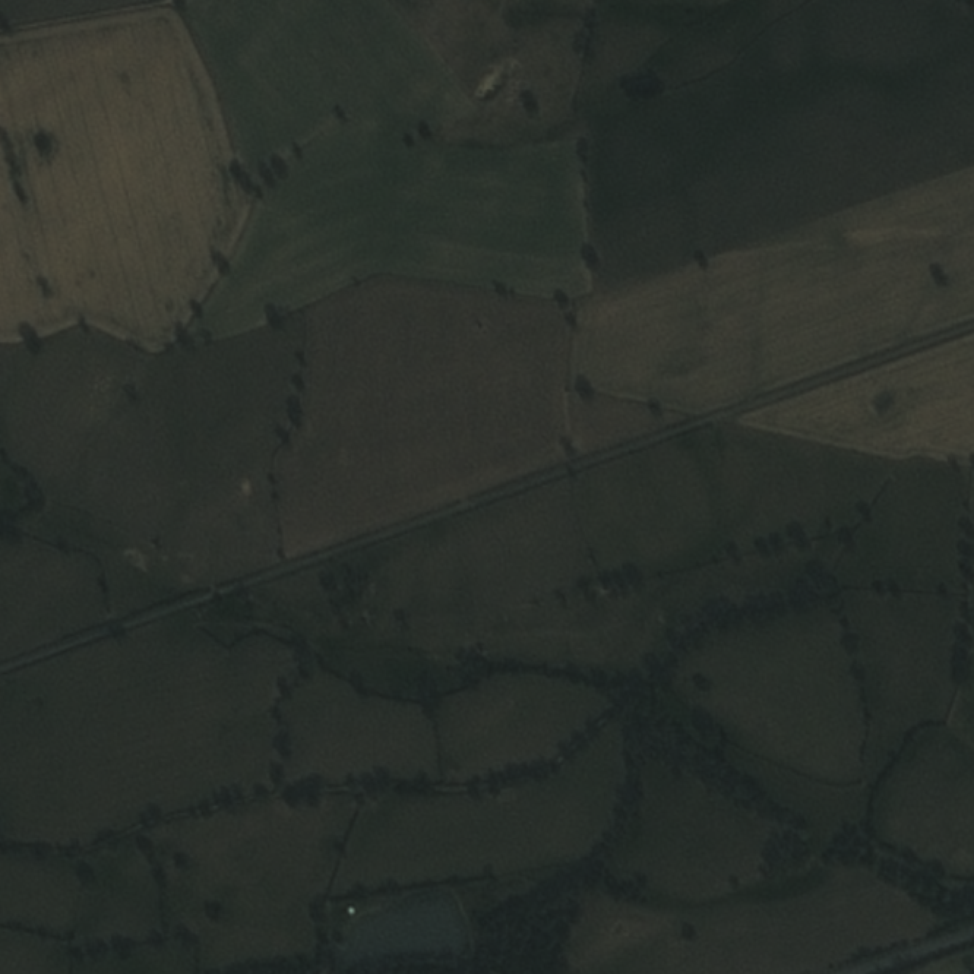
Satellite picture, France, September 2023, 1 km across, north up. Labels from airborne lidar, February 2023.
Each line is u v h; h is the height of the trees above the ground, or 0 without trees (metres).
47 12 0
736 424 0
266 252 0
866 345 0
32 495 17
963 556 12
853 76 0
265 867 0
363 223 0
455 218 0
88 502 0
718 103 0
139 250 0
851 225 0
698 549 0
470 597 0
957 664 13
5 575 0
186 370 0
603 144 0
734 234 0
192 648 0
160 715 0
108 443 0
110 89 0
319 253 0
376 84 0
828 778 0
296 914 0
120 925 0
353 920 0
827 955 0
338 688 0
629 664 0
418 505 0
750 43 0
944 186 0
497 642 0
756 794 21
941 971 0
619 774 0
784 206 0
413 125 0
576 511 0
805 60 0
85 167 0
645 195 0
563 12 0
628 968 0
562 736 0
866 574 0
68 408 0
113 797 0
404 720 0
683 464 0
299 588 0
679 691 0
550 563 0
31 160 0
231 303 0
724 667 0
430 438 0
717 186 0
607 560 0
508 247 0
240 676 0
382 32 0
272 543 0
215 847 0
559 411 0
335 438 0
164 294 0
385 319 0
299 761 0
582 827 0
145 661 0
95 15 0
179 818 0
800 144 0
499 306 0
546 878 0
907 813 0
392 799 0
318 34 0
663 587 0
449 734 0
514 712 0
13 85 0
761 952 0
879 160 0
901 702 0
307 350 0
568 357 0
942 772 0
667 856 0
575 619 0
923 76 0
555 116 0
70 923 0
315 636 0
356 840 0
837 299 0
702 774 21
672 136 0
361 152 0
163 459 0
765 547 12
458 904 0
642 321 0
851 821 0
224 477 0
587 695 0
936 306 0
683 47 0
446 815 0
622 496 0
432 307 0
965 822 0
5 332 0
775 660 0
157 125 0
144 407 0
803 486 0
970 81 0
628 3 0
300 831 0
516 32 0
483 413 0
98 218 0
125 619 0
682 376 0
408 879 0
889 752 0
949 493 0
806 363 0
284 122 0
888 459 0
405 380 0
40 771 0
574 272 0
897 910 0
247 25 0
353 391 0
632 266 0
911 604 0
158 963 0
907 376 0
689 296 0
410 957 6
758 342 0
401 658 0
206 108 0
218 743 0
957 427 0
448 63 0
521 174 0
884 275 0
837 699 0
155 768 0
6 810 0
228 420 0
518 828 0
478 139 0
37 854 14
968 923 6
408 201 0
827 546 0
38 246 0
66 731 0
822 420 0
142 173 0
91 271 0
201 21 0
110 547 0
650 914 0
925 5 0
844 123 0
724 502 0
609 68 0
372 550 0
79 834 0
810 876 0
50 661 0
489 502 0
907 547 0
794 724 0
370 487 0
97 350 0
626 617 0
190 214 0
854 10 0
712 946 0
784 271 0
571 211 0
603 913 0
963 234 0
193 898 0
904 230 0
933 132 0
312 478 0
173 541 0
